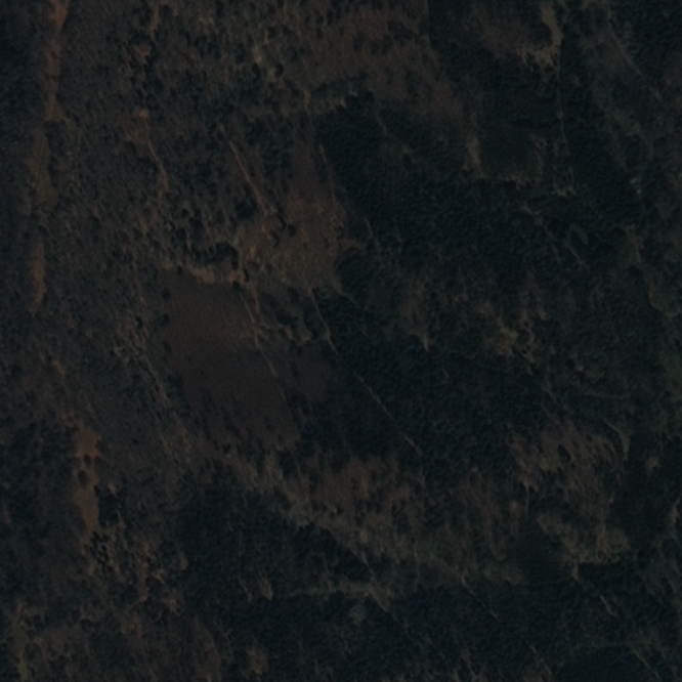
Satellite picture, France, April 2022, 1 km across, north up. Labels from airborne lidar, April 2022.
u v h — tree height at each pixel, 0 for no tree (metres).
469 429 28
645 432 18
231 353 17
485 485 23
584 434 14
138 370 33
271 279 23
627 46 16
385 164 30
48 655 16
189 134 33
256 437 16
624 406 24
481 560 18
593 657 24
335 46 22
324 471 20
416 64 28
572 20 18
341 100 19
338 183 18
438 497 26
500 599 26
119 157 31
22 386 23
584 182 20
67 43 18
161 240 21
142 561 27
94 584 14
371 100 28
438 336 29
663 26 30
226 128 30
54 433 14
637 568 13
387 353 26
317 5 18
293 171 17
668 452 16
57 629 20
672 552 28
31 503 20
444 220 30
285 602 24
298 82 22
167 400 25
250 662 21
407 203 29
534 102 20
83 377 27
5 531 16
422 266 25
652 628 26
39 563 15
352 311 31
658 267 26
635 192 23
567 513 15
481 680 30
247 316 15
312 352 19
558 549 28
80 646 19
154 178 7
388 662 30
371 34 23
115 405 27
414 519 26
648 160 20
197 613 24
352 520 20
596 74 8
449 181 31
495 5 26
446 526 22
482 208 34
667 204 19
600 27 23
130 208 22
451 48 25
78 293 26
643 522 19
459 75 25
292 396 15
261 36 32
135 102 26
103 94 29
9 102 20
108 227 27
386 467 20
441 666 15
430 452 31
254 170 17
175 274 15
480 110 21
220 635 22
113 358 33
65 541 16
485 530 24
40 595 25
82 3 21
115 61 32
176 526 26
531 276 26
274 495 18
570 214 25
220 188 28
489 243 30
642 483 18
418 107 30
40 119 20
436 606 26
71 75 23
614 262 31
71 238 26
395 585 14
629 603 27
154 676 10
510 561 22
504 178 15
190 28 30
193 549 23
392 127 24
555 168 14
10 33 16
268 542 21
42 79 18
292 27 14
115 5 31
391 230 27
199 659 17
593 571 21
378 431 21
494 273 27
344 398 20
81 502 0
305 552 14
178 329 20
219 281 29
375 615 24
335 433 22
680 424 25
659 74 29
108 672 16
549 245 35
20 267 18
